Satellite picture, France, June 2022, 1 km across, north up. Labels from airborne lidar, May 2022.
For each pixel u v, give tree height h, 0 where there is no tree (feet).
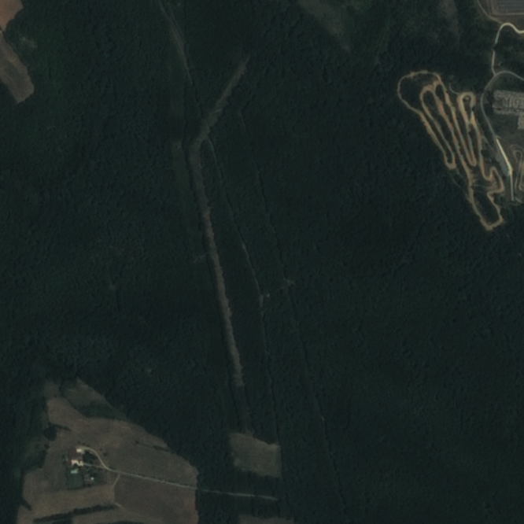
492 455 45
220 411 58
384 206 76
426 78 35
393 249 33
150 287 45
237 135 41
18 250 93
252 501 26
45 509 0
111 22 79
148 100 74
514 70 34
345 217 69
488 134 31
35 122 49
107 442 0
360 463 72
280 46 79
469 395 72
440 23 24
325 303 66
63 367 37
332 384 55
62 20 53
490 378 67
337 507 76
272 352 57
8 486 22
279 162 55
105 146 111
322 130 69
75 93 66
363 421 63
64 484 0
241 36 52
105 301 74
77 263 45
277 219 53
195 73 51
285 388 61
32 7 52
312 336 43
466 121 0
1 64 0
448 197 69
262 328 35
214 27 46
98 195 86
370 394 31
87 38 83
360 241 40
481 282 61
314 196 61
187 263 50
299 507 64
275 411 52
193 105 39
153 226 77
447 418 49
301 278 59
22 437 20
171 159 55
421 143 47
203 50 37
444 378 65
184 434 62
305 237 65
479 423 39
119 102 79
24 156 44
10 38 35
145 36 43
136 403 63
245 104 26
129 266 48
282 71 78
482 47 24
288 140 60
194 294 41
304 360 33
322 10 0
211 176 48
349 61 69
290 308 18
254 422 60
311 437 58
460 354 72
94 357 64
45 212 88
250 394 57
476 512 67
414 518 79
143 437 0
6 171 80
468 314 88
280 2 26
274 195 61
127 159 75
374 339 82
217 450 68
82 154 34
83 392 0
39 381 31
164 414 66
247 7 51
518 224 71
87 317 67
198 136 31
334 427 44
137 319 59
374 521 97
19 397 39
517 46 26
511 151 0
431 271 70
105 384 62
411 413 49
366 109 71
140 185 75
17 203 77
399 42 81
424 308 52
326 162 74
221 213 52
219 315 31
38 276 52
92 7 81
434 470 73
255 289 44
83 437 0
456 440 41
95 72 74
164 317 49
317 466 46
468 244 71
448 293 85
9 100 52
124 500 0
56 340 63
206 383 71
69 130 59
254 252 47
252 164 34
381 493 52
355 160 69
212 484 54
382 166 54
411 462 79
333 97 90
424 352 77
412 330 91
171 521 0
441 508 54
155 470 0
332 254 73
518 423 37
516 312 75
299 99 73
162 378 52
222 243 39
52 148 54
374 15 50
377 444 71
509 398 73
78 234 43
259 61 74
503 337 103
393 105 47
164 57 41
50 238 43
